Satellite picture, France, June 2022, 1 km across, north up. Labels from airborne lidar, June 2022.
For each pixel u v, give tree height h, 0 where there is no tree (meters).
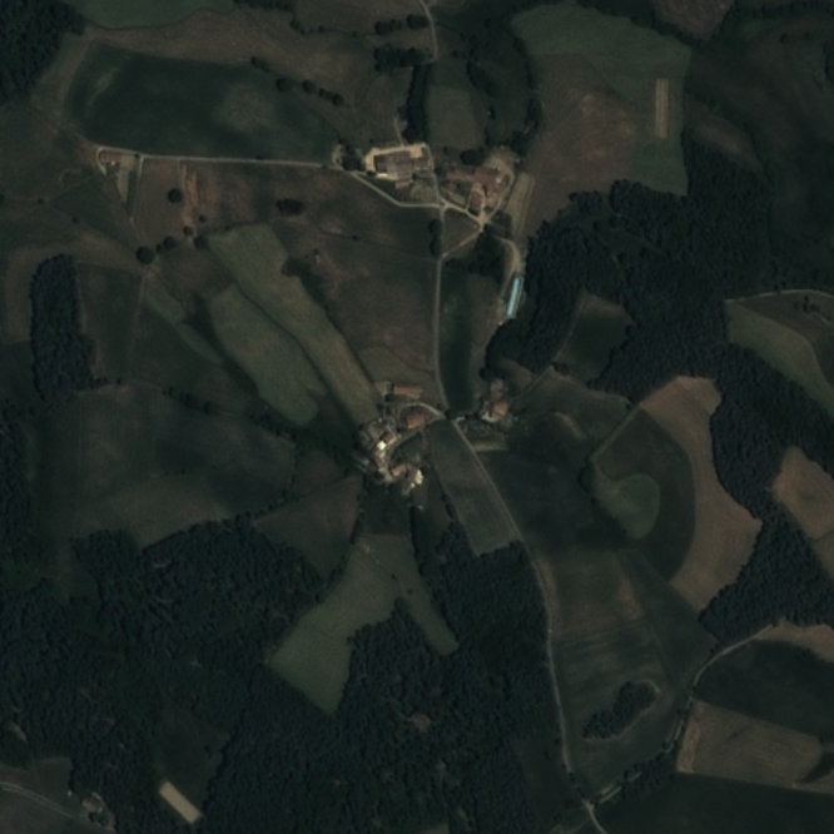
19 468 22
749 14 13
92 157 0
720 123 0
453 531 13
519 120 0
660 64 0
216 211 0
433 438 0
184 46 0
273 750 23
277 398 0
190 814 0
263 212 0
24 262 0
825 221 0
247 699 21
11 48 22
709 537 0
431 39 0
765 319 0
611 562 0
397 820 11
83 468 0
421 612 0
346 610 0
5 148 0
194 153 0
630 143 0
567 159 0
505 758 19
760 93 0
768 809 0
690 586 0
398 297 0
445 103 0
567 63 0
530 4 9
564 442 0
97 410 0
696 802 0
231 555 24
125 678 10
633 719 15
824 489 0
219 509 0
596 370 0
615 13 8
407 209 0
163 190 0
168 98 0
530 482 0
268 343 0
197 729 0
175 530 0
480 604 24
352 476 10
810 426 19
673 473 0
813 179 0
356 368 0
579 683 0
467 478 0
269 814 26
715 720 0
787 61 0
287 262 0
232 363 0
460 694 22
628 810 0
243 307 0
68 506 0
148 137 0
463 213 6
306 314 0
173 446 0
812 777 0
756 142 9
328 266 0
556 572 0
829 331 0
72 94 0
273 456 0
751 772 0
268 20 0
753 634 19
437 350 0
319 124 0
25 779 0
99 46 0
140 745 12
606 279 17
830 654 0
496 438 0
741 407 19
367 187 0
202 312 0
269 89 0
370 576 0
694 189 17
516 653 13
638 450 0
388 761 22
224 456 0
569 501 0
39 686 16
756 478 16
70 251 0
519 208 0
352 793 17
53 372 20
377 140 8
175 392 13
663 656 0
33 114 0
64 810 0
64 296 13
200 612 32
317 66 0
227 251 0
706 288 17
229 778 31
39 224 0
